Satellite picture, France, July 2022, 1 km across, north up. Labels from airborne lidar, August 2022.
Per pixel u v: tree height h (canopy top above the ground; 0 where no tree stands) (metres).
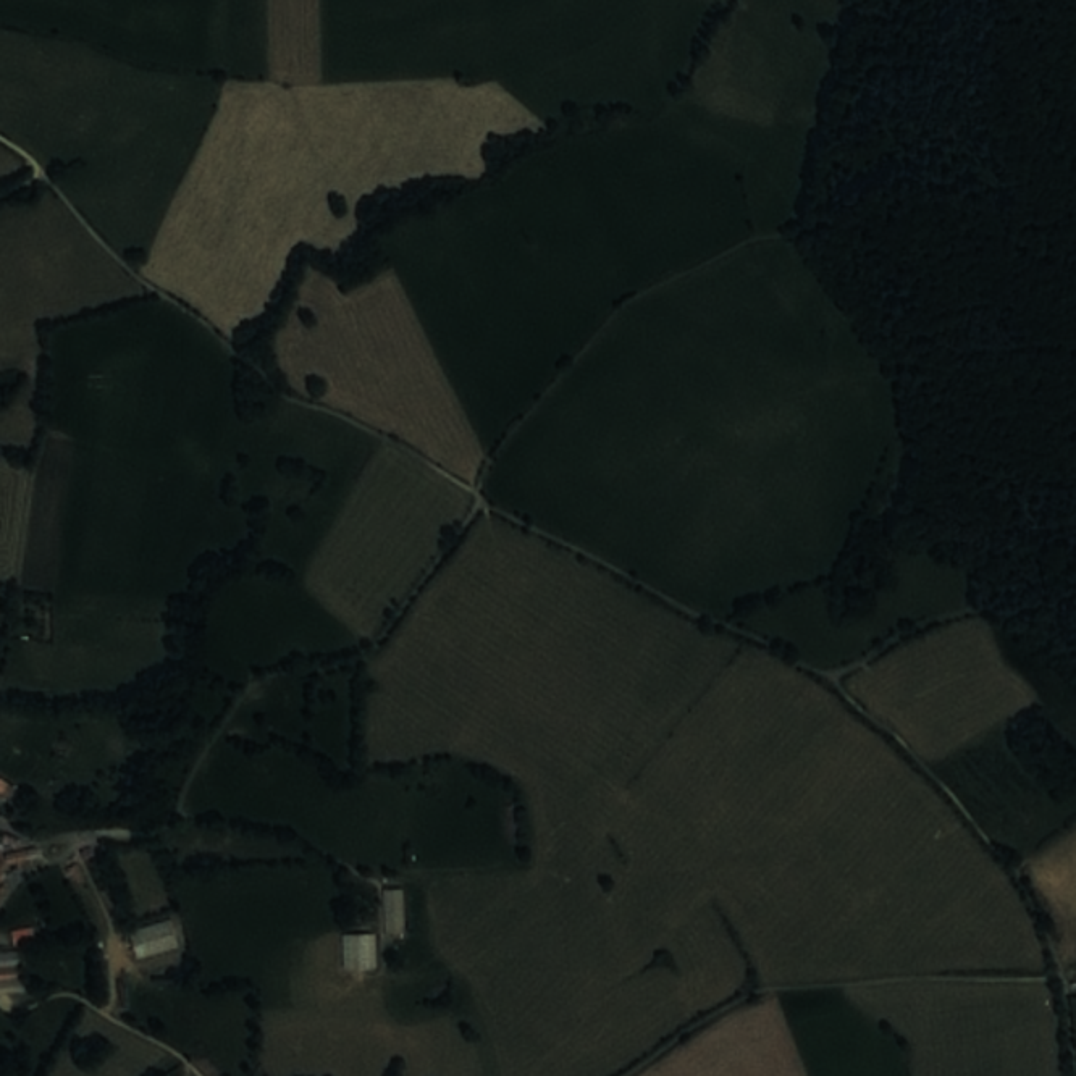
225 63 0
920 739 0
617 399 0
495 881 0
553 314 0
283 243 0
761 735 0
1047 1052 0
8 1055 18
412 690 0
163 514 0
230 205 0
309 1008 0
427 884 0
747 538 0
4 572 0
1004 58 29
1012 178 27
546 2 0
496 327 0
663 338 0
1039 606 17
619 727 0
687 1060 0
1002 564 20
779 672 0
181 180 0
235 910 0
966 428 31
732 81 0
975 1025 0
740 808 0
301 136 0
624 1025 0
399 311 0
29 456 20
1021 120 28
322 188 0
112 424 0
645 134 0
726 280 0
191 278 0
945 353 25
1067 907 0
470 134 0
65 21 0
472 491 0
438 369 0
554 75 0
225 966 0
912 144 26
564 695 0
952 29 25
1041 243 27
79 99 0
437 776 0
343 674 13
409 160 0
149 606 0
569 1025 0
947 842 0
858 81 24
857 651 0
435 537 0
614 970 0
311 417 0
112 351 0
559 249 0
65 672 0
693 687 0
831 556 0
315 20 0
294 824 0
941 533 18
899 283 23
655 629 0
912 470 22
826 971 0
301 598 0
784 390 0
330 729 0
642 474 0
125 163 0
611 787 0
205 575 16
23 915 0
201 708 0
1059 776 21
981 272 31
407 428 0
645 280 0
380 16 0
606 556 0
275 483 0
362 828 0
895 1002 0
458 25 0
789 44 0
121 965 0
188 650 23
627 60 0
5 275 0
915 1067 0
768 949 0
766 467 0
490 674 0
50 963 0
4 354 0
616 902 0
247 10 0
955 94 29
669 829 0
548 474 0
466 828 0
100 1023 0
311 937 0
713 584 0
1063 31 26
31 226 0
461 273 0
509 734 0
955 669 0
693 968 0
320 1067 0
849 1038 0
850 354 0
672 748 0
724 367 0
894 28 19
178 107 0
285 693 0
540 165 0
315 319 7
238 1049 0
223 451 0
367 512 0
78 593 0
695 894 0
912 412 22
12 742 0
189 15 0
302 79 0
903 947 0
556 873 0
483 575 0
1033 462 20
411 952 0
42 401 17
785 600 11
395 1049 0
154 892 0
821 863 0
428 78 0
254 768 0
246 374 14
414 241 0
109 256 0
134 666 0
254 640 0
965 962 0
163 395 0
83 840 0
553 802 0
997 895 0
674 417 0
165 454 0
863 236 26
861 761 0
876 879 0
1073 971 0
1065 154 28
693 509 0
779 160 0
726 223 0
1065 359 28
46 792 0
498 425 0
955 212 25
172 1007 0
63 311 0
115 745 0
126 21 0
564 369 10
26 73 0
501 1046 0
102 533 0
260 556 14
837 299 17
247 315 0
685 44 0
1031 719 22
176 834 10
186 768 7
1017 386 27
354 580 0
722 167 0
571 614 0
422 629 0
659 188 0
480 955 0
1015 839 0
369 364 0
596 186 0
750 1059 0
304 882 0
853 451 0
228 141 0
